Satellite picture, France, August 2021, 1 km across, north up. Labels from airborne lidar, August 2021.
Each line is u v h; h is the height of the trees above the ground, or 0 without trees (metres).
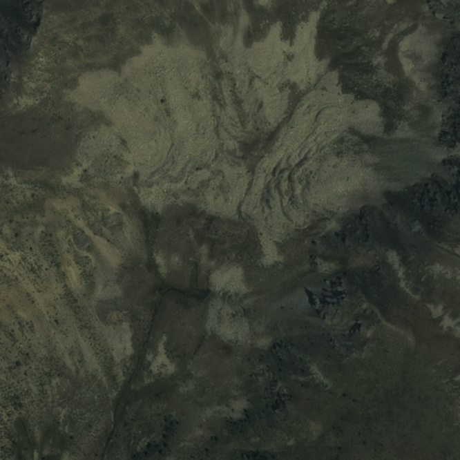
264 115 0
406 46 0
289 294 0
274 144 0
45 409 0
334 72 0
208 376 0
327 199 0
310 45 0
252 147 0
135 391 0
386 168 0
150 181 0
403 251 0
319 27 0
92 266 0
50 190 0
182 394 0
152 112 0
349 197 0
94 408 0
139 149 0
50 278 0
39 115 0
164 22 0
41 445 0
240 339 0
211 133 0
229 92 0
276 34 0
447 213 0
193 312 0
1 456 0
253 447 0
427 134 0
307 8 0
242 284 0
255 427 0
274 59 0
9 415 11
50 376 0
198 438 0
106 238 0
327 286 0
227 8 0
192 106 0
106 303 0
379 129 0
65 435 0
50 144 0
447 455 0
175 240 0
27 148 0
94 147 0
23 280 0
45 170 0
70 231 0
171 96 0
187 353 0
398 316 0
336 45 0
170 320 0
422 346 0
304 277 0
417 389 0
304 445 0
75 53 0
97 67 0
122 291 0
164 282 0
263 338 0
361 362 0
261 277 0
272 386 0
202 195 0
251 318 0
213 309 0
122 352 0
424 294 0
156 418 0
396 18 0
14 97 0
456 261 0
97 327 0
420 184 0
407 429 0
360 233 0
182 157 0
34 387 0
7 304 0
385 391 0
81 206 0
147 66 0
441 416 0
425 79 0
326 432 0
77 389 0
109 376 0
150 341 0
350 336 0
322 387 0
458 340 0
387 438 0
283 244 0
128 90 0
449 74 0
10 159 0
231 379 0
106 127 0
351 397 0
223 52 0
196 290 0
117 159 0
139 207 0
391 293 0
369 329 0
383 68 0
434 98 0
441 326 0
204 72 0
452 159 0
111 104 0
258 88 0
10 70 0
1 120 0
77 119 0
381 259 0
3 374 0
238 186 0
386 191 0
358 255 0
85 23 0
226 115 0
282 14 0
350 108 0
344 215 0
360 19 0
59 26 0
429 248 0
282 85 0
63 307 0
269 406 0
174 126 0
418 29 0
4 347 0
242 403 0
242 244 0
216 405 0
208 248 0
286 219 0
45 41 0
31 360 0
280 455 0
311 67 0
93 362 0
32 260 0
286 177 0
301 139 0
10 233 0
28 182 0
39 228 0
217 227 0
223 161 0
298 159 0
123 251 0
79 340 0
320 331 0
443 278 0
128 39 0
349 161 0
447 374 0
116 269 0
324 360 0
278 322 0
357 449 0
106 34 0
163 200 0
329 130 0
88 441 0
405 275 0
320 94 0
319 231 0
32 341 0
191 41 0
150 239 0
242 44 0
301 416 0
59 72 0
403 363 0
